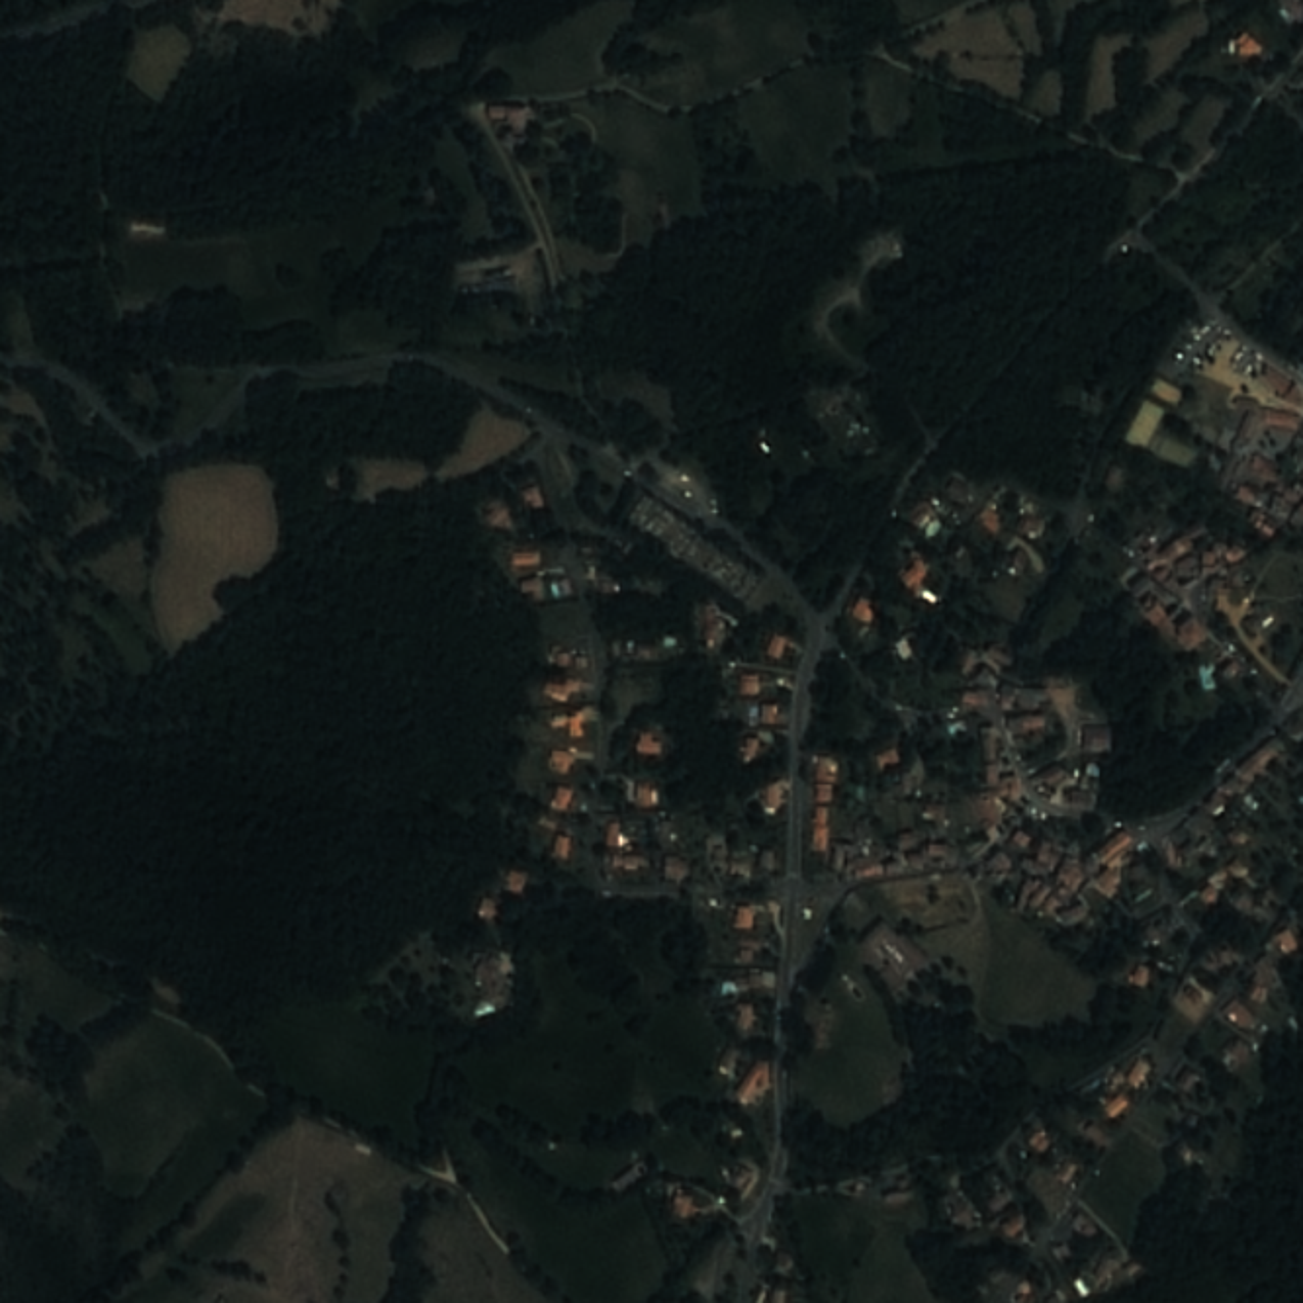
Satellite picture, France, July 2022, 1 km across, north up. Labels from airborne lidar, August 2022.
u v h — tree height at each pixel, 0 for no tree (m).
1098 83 0
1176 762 25
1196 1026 0
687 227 15
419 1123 11
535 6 17
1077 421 11
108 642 7
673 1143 0
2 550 17
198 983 14
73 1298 6
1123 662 24
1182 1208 12
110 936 11
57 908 15
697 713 15
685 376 10
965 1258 12
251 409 13
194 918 11
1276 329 23
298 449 12
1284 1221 20
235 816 16
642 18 12
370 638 18
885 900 0
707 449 7
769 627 13
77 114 15
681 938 14
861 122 13
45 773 17
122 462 12
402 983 14
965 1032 20
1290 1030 12
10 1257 9
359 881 17
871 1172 7
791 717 0
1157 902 0
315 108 18
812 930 0
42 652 13
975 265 6
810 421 9
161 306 16
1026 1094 16
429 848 16
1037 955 0
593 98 6
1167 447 0
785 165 0
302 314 0
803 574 13
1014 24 6
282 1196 0
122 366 13
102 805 13
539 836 0
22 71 19
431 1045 9
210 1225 0
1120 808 16
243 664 14
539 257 6
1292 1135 18
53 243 18
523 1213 0
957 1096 20
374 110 0
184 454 16
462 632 10
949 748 7
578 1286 0
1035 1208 14
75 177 14
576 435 12
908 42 8
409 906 19
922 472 10
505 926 14
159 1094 0
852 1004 0
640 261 15
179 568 0
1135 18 11
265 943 12
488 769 12
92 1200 6
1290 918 13
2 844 15
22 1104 0
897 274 16
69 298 16
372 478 0
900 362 14
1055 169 9
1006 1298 0
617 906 12
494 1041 22
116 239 13
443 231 16
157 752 15
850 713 0
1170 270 0
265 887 12
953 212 17
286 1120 14
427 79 15
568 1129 0
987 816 0
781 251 18
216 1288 0
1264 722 13
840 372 12
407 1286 7
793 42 0
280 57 7
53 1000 0
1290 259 8
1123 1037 16
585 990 11
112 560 0
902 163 0
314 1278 0
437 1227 0
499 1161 11
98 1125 0
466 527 9
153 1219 0
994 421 12
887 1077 0
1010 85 0
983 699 0
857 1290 0
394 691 18
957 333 15
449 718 18
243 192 10
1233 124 12
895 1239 0
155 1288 0
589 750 0
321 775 17
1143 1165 0
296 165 17
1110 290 14
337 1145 0
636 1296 0
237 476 0
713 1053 0
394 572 14
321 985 16
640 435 11
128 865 17
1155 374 7
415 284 18
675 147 0
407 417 12
